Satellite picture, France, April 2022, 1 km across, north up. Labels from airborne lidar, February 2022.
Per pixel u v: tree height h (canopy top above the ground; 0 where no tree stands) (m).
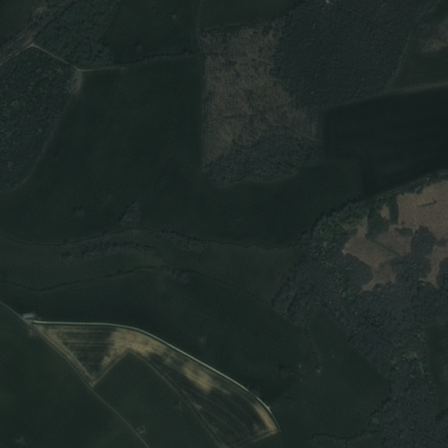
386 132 0
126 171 0
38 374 0
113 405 0
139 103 0
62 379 0
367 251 0
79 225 0
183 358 0
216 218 0
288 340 0
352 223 8
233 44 0
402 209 0
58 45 27
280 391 0
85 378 0
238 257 0
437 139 0
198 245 18
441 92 0
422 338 8
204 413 0
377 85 13
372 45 15
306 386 0
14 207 0
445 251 0
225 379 0
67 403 0
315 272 24
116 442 0
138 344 0
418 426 22
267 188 0
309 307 19
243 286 0
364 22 11
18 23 0
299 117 0
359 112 0
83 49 23
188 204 0
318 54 8
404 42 14
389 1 8
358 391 0
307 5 8
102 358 0
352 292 6
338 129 0
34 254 0
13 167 8
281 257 0
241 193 0
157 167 0
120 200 0
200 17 0
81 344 0
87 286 0
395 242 0
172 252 0
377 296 10
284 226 0
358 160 0
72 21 23
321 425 0
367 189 0
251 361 0
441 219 0
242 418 0
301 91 13
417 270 6
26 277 0
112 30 0
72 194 0
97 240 0
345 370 0
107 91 0
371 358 21
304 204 0
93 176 0
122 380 0
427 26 6
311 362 0
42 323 0
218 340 0
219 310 0
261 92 0
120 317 0
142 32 0
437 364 0
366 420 0
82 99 0
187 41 0
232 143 0
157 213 0
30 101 9
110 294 0
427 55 0
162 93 0
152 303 0
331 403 0
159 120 0
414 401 24
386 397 0
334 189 0
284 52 13
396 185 0
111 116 0
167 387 0
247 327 0
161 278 0
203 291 0
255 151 23
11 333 0
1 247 0
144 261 0
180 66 0
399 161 0
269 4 0
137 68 0
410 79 0
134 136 0
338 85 14
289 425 0
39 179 0
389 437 14
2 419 0
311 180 0
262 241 0
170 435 0
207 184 0
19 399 0
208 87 0
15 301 0
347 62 14
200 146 0
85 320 0
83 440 0
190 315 0
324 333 0
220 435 0
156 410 0
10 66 7
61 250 0
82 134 0
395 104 0
